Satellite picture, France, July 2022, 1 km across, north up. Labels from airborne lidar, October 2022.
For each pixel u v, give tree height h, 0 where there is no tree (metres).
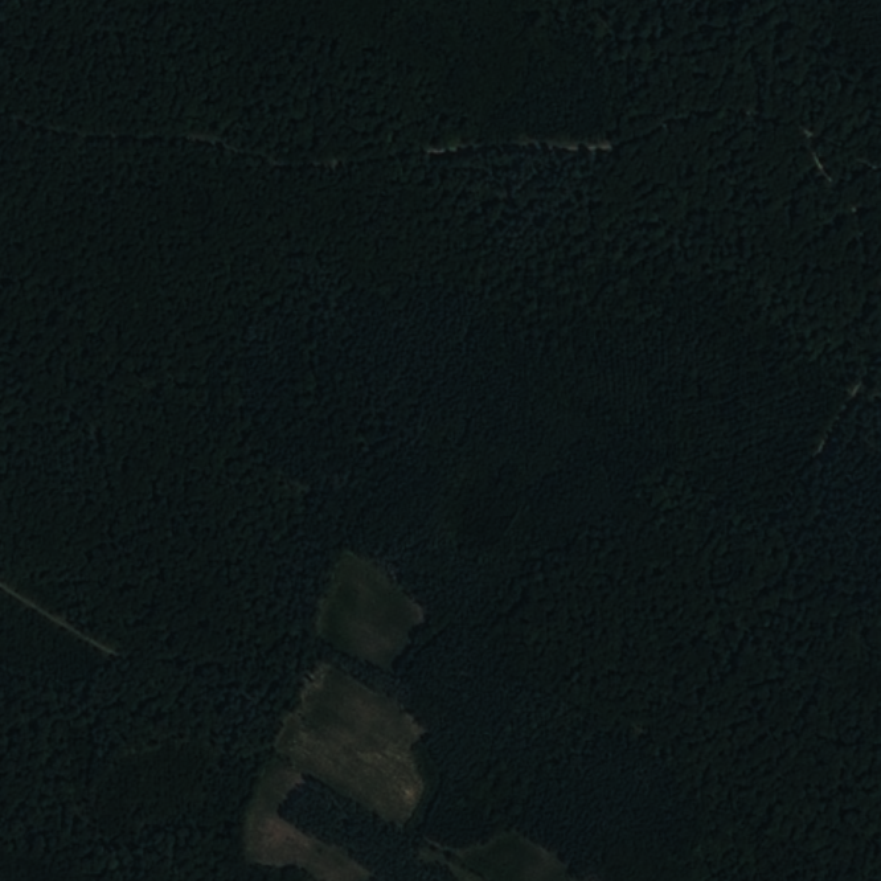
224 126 19
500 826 22
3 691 19
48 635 11
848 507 31
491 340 20
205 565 25
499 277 24
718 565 20
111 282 22
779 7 30
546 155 23
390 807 0
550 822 18
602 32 27
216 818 13
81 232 24
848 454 33
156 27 25
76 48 25
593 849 17
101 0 28
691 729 27
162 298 22
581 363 14
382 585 0
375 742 0
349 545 23
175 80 23
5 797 26
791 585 27
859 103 29
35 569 23
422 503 17
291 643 18
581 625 25
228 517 21
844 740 21
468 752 20
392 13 14
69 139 21
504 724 19
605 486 18
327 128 30
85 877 29
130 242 23
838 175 26
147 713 29
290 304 23
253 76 26
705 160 26
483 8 11
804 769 28
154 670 26
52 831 27
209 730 27
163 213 25
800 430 13
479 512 19
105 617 27
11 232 22
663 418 15
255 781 17
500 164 9
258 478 21
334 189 22
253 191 22
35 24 25
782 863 6
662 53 22
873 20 15
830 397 14
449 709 19
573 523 16
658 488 25
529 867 0
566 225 17
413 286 24
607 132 6
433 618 19
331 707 0
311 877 16
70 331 29
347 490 27
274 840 0
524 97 14
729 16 18
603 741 20
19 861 23
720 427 12
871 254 26
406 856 25
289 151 18
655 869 21
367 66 25
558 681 21
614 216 24
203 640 25
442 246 20
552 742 16
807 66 28
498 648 19
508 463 13
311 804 23
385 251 23
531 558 13
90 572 25
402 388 27
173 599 27
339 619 0
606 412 15
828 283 29
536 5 12
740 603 28
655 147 28
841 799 28
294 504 24
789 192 29
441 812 19
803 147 15
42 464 23
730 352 15
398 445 23
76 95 24
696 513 22
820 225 32
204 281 24
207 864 29
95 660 15
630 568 24
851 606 30
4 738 26
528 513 15
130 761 11
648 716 19
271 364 22
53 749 14
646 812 21
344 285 26
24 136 25
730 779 24
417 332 21
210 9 20
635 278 18
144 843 13
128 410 28
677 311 13
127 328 23
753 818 24
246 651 27
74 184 19
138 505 23
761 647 31
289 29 14
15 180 22
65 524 25
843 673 29
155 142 22
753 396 16
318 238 22
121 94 18
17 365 28
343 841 22
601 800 20
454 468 15
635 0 29
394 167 27
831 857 25
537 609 26
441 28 12
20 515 21
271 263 23
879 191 29
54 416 26
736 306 13
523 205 27
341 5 13
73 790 22
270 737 14
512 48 11
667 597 21
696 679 30
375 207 24
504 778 24
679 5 33
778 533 29
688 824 17
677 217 30
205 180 26
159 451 27
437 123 23
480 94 13
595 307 14
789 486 21
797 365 17
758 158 26
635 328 17
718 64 26
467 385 24
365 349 29
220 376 19
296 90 30
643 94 26
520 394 22
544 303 21
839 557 30
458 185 26
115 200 24
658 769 23
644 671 22
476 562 18
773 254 28
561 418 13
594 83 15
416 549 18
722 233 26
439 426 22
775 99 28
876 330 31
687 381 18
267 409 27
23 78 26
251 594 22
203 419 22
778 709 30
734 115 24
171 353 23
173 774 6
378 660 0
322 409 23
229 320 20
